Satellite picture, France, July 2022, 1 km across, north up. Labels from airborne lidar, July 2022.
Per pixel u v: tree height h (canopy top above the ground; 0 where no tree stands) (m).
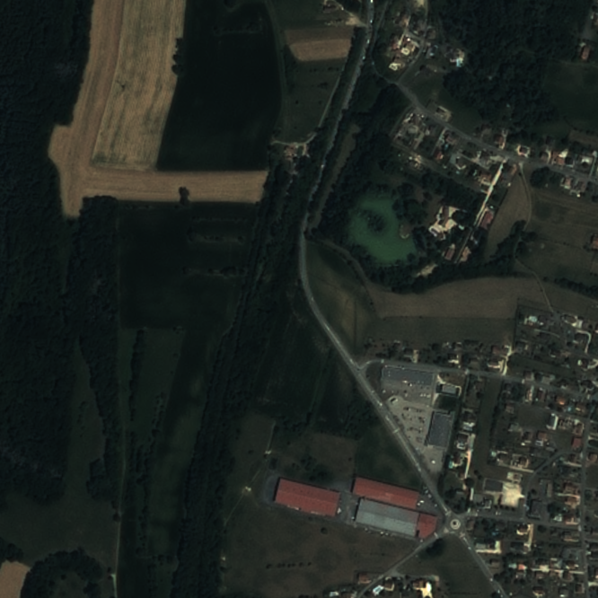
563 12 11
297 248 21
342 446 0
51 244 24
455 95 18
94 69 0
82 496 0
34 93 23
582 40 8
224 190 0
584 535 0
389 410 0
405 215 17
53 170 15
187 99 0
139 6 0
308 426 11
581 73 0
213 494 10
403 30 0
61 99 27
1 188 18
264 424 0
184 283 0
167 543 0
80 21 24
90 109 0
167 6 0
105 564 0
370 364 0
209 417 8
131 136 0
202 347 0
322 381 0
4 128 15
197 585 8
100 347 24
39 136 29
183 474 0
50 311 27
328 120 9
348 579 0
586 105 0
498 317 0
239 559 0
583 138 0
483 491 0
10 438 11
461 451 0
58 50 24
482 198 7
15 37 7
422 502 0
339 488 0
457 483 0
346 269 0
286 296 0
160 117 0
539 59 13
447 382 0
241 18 0
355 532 0
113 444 18
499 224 0
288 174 14
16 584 0
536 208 0
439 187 6
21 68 13
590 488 0
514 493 0
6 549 16
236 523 0
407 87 0
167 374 0
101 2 0
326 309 0
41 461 30
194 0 0
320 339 0
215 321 0
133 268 0
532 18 6
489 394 0
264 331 24
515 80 14
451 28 27
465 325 0
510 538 0
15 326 26
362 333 0
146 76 0
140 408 0
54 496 23
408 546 0
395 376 0
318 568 0
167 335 0
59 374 27
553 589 0
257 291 12
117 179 0
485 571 0
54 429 26
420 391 0
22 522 0
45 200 16
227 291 0
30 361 28
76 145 0
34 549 0
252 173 0
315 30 0
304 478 0
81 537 0
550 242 0
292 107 0
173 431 0
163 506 0
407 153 0
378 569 0
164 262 0
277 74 0
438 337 0
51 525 0
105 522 0
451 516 0
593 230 0
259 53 0
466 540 0
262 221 8
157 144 0
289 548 0
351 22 0
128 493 6
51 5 26
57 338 18
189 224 0
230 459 12
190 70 0
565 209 0
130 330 0
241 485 0
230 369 11
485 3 24
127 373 0
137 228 0
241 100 0
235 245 0
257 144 0
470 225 9
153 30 0
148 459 12
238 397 24
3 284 18
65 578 14
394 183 0
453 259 9
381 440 0
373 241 0
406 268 8
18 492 16
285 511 0
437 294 0
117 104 0
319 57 0
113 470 18
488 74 12
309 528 0
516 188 0
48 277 21
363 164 23
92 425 0
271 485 0
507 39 22
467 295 0
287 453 0
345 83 13
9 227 18
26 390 30
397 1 17
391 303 0
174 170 0
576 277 0
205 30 0
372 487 0
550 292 0
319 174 20
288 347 0
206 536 17
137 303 0
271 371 0
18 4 9
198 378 0
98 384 20
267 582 0
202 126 0
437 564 0
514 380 0
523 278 0
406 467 0
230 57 0
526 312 0
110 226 24
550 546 6
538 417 0
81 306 30
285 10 0
